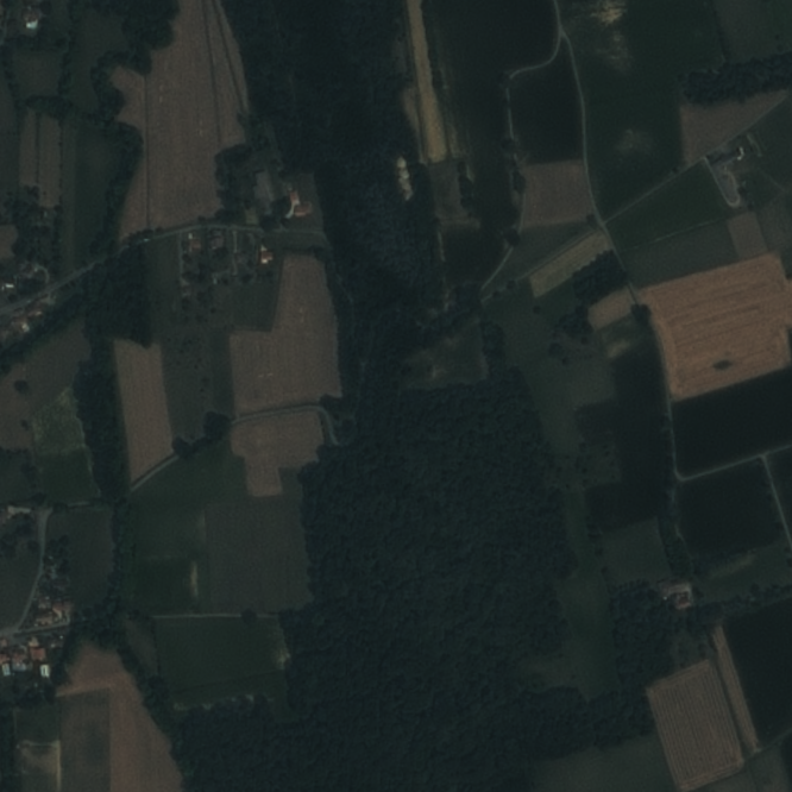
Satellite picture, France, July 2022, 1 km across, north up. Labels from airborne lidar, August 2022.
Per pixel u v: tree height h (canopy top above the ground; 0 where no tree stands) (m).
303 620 20
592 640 0
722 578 0
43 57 0
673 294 0
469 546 20
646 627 22
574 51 0
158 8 24
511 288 9
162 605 0
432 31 11
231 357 0
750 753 0
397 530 22
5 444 0
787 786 0
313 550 20
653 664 17
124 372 0
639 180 0
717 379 0
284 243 0
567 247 0
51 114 10
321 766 27
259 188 0
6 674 0
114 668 0
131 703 0
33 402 0
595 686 0
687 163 0
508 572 22
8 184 0
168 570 0
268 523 0
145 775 0
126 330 22
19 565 0
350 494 24
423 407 18
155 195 0
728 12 0
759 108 0
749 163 0
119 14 19
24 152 0
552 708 19
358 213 8
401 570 25
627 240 0
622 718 20
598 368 0
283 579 0
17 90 12
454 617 21
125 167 10
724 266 0
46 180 0
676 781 0
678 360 0
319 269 0
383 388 22
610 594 9
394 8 15
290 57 6
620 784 0
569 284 0
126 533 28
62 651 9
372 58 9
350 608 23
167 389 0
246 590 0
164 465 0
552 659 0
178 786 0
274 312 0
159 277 0
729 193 0
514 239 16
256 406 0
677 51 0
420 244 16
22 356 14
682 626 8
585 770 0
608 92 0
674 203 0
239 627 0
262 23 24
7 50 16
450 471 23
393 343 22
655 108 0
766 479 15
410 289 6
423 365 0
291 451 0
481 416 12
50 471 0
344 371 16
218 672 0
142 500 0
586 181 0
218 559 0
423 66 0
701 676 0
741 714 0
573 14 0
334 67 11
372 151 18
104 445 23
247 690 0
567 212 0
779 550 0
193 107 0
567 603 0
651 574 0
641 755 0
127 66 14
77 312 17
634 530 0
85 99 0
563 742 11
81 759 0
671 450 11
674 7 0
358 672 32
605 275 16
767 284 0
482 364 0
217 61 0
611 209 0
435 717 24
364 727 25
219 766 26
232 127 0
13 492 0
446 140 0
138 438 0
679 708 0
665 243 0
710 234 0
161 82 0
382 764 28
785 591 10
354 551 29
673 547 19
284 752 27
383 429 24
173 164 0
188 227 0
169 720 23
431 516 23
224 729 28
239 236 0
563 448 0
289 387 0
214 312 9
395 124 19
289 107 26
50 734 0
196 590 0
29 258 10
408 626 27
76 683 0
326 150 16
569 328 14
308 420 0
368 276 21
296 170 16
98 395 26
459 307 14
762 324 0
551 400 0
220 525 0
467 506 14
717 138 0
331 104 5
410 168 13
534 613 11
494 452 10
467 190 13
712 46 0
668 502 17
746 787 0
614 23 0
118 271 18
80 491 0
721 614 19
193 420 0
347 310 17
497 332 14
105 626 15
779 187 0
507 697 20
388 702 26
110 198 16
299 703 22
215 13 0
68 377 0
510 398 21
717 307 0
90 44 0
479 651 20
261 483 0
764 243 0
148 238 7
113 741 0
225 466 0
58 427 0
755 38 0
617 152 0
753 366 0
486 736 16
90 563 0
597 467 0
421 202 17
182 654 0
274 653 0
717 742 0
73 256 0
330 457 19
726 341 0
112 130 19
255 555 0
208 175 0
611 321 0
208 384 7
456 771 22
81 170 0
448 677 30
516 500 26
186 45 0
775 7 0
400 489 10
